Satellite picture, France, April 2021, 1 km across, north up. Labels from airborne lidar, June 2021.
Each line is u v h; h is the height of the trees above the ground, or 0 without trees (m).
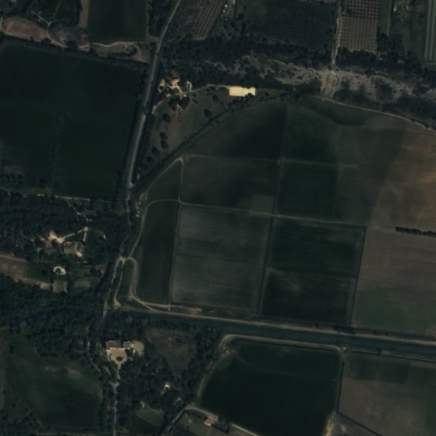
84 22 0
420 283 0
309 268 0
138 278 0
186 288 0
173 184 0
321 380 0
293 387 0
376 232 0
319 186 0
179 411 9
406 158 0
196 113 0
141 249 0
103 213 12
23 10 8
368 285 0
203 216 0
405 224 0
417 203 0
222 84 16
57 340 9
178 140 0
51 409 0
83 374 0
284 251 0
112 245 7
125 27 0
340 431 0
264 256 0
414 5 10
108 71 0
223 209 0
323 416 0
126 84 0
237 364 0
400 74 0
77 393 0
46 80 0
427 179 0
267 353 0
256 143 0
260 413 0
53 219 12
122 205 20
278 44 7
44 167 0
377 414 0
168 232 0
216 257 0
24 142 0
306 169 0
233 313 0
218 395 0
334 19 6
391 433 0
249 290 0
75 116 0
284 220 0
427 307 0
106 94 0
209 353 24
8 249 17
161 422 0
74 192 0
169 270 0
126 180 10
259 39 7
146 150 18
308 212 0
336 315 0
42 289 7
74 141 0
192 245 0
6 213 15
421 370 0
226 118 0
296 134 0
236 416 0
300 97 17
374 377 0
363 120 0
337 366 0
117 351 0
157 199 0
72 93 0
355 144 0
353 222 0
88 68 0
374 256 0
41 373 0
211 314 0
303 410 0
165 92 8
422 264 0
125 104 0
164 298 0
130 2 0
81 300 17
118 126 0
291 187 0
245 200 0
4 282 10
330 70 0
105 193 0
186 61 13
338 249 0
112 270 13
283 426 0
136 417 0
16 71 0
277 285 0
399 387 0
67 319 22
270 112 0
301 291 0
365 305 0
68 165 0
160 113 0
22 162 0
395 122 0
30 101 0
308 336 0
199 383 22
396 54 6
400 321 0
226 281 0
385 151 0
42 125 0
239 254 0
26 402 0
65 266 8
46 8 10
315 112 0
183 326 11
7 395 11
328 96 0
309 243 0
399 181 0
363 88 0
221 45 15
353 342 0
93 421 0
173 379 16
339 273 0
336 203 0
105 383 11
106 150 0
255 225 0
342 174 0
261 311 0
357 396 0
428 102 0
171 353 0
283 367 0
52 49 16
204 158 0
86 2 0
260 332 0
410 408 0
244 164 0
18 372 0
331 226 0
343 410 0
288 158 0
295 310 0
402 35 0
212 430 0
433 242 0
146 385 17
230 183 0
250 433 0
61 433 7
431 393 0
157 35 12
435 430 0
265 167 0
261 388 0
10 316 14
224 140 0
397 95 0
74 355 9
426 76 14
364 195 0
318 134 0
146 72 16
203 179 0
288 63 7
